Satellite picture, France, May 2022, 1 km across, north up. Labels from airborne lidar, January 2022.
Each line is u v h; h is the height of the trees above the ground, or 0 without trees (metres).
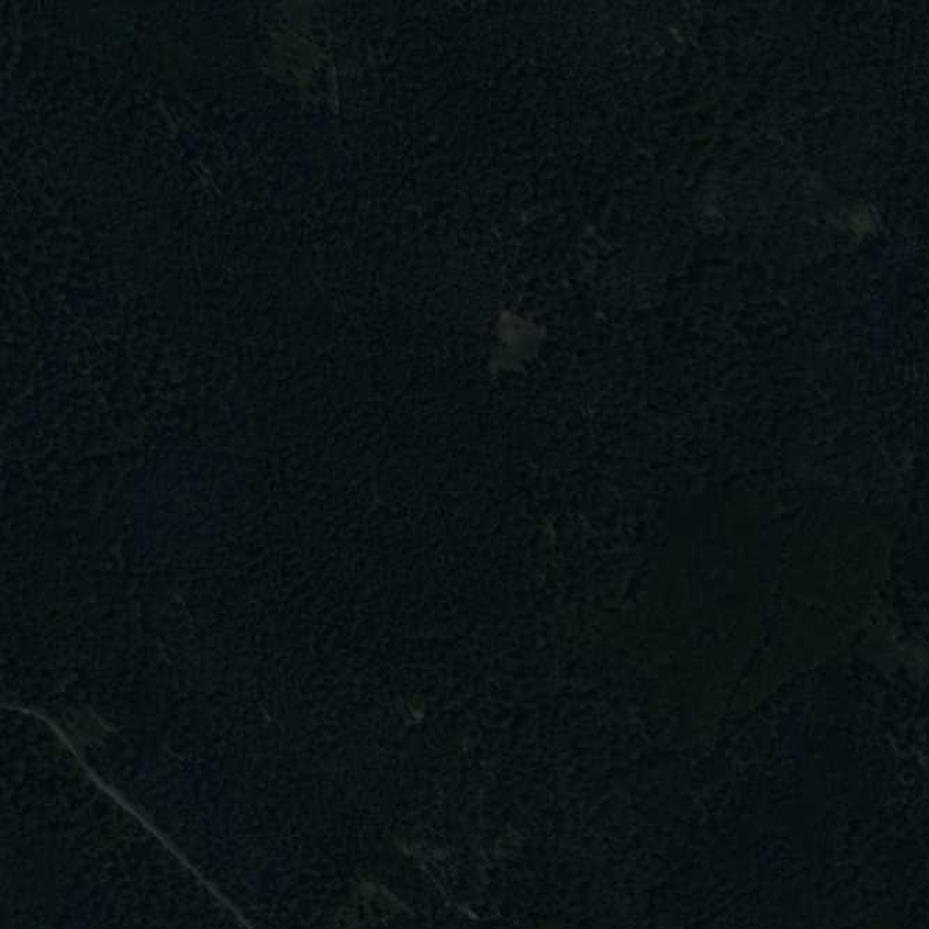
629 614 17
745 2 28
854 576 17
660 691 18
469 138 18
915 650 0
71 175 20
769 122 18
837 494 22
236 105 27
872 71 33
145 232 18
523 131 30
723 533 17
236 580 27
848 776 16
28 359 34
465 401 21
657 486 20
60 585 13
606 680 23
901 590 8
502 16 32
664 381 34
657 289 25
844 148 24
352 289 20
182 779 38
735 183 27
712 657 18
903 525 18
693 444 26
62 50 13
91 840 6
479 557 21
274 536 28
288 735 14
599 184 16
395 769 16
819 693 21
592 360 30
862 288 34
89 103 31
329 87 11
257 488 29
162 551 23
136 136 26
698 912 30
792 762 25
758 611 17
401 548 24
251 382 21
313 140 21
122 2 14
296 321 23
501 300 18
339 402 25
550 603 29
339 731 18
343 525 28
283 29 19
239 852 35
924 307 34
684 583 16
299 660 18
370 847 28
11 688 21
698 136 21
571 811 36
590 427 36
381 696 15
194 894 33
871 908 22
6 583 21
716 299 26
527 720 29
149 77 12
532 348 0
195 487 23
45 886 12
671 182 17
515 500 18
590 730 26
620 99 22
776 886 17
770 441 19
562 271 12
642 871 22
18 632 22
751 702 20
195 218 23
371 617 21
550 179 21
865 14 29
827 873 26
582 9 17
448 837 17
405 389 22
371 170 22
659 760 26
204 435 26
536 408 25
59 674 28
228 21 24
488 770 23
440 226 13
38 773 16
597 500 26
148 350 27
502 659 9
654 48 15
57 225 30
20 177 18
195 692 18
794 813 22
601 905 24
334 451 24
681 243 27
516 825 18
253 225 26
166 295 21
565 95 24
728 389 23
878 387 11
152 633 30
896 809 12
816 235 22
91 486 26
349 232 25
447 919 20
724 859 22
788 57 25
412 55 20
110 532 15
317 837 23
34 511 15
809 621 18
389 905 0
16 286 12
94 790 20
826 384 25
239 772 22
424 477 22
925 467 18
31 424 31
